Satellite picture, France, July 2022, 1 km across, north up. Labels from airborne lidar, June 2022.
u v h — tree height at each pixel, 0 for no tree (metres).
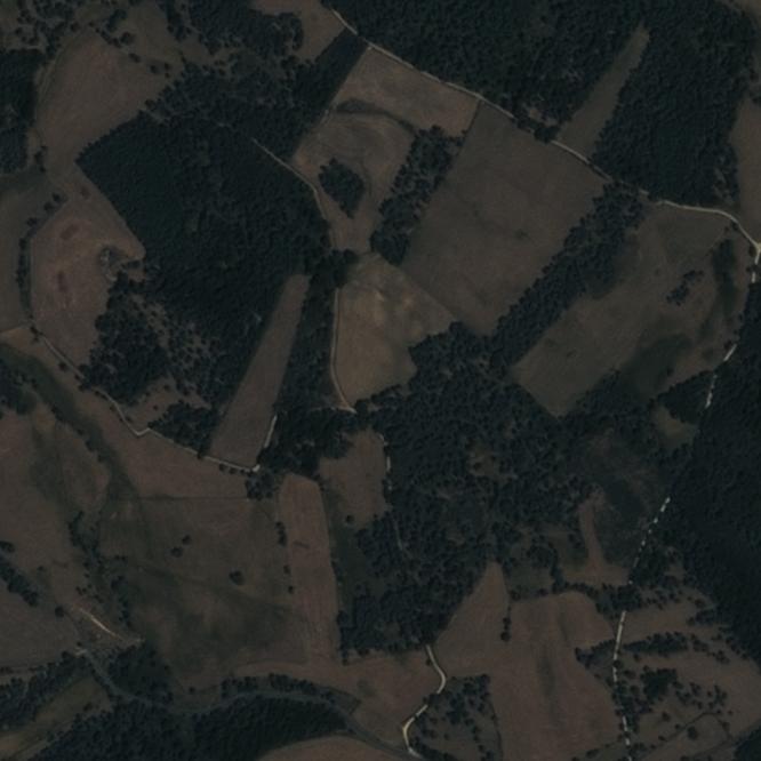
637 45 0
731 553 16
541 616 0
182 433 8
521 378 0
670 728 0
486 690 10
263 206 11
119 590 12
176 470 0
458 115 0
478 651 0
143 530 0
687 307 0
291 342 0
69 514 0
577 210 0
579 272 15
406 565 14
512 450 12
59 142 0
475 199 0
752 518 17
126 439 0
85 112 0
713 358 0
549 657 0
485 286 0
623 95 14
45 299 0
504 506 17
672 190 19
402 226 14
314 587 0
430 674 0
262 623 0
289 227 7
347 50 9
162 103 7
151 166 17
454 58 15
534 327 12
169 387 9
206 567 0
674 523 13
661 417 0
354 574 0
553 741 0
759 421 8
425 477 12
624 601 13
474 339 15
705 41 13
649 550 7
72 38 0
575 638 0
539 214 0
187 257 18
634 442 9
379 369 0
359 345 0
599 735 0
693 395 17
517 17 8
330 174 13
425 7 16
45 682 6
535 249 0
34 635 0
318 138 0
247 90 16
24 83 13
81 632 0
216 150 16
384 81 0
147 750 12
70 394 0
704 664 0
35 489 0
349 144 0
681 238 0
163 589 0
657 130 18
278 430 12
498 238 0
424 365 11
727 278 9
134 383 16
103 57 0
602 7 22
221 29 14
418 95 0
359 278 0
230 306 13
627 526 0
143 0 11
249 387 0
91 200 0
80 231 0
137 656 13
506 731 0
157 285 12
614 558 0
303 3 0
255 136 12
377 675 0
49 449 0
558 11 17
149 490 0
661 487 0
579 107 17
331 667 0
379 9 9
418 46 9
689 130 20
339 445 20
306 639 0
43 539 0
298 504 0
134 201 18
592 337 0
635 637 0
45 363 0
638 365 0
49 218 0
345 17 12
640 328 0
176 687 0
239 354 16
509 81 10
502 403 14
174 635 0
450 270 0
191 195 13
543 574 0
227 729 10
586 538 0
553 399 0
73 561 0
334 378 0
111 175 19
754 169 0
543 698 0
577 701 0
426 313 0
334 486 0
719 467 17
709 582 17
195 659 0
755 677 0
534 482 14
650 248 0
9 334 0
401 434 15
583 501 11
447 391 18
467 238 0
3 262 0
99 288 0
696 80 8
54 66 0
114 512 0
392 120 0
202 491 0
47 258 0
